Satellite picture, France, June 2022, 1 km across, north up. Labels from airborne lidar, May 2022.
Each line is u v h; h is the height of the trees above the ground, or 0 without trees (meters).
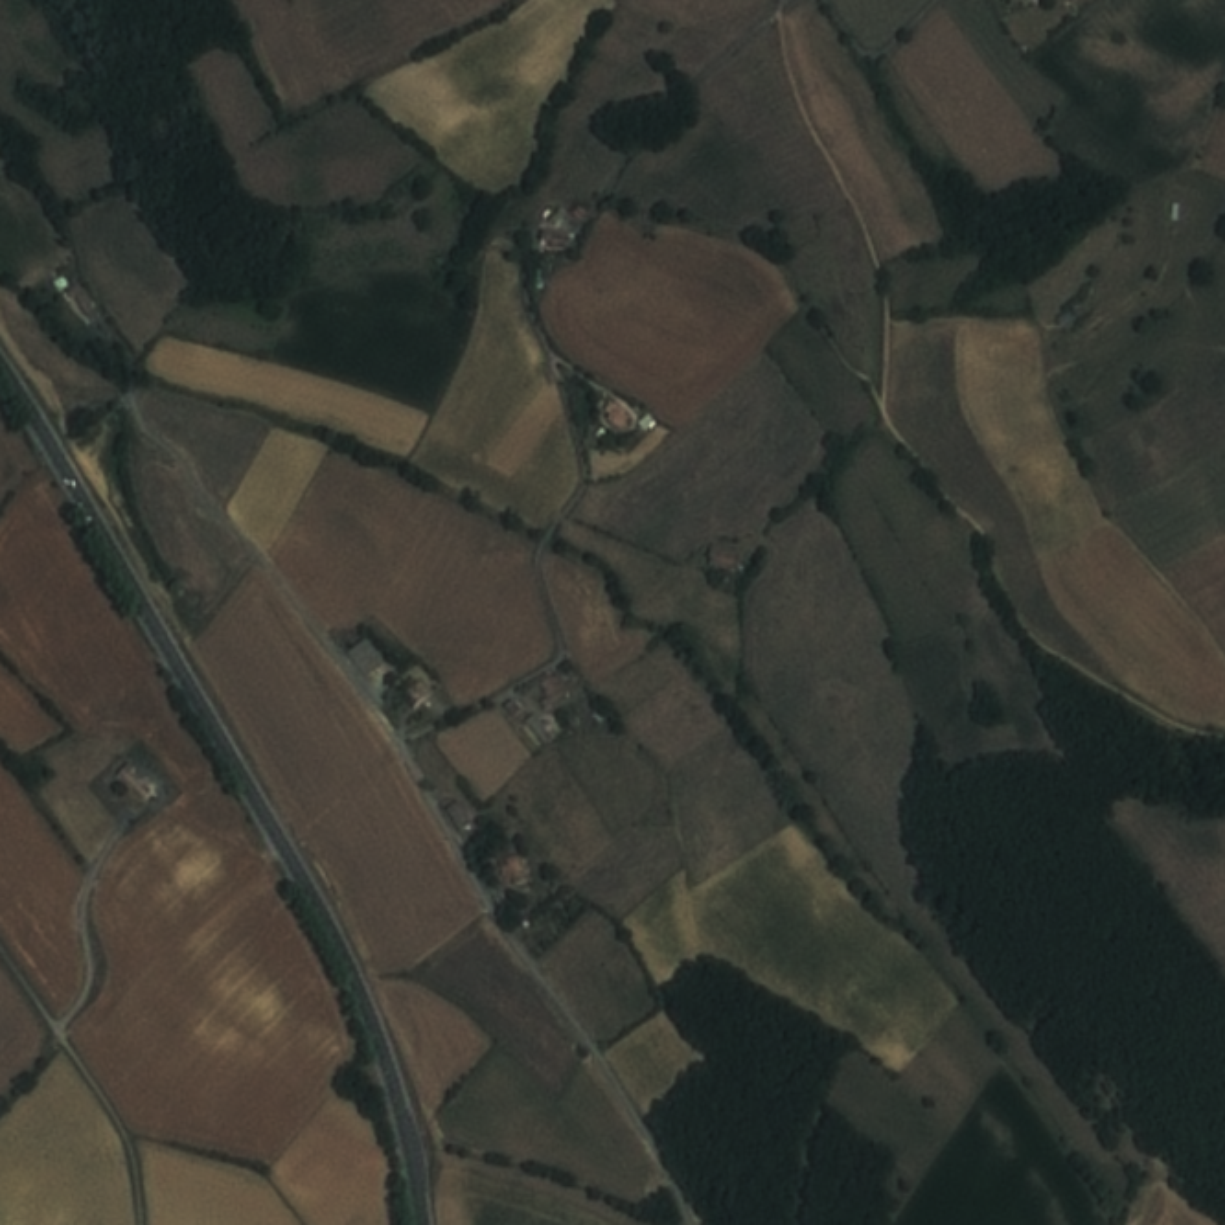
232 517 0
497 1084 0
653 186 0
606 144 17
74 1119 0
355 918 0
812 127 0
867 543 0
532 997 0
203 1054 0
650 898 0
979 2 0
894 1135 0
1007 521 0
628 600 15
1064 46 0
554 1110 0
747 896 0
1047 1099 0
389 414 0
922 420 0
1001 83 0
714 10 0
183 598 0
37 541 0
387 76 0
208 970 0
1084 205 17
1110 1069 14
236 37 16
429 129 0
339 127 0
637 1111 0
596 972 0
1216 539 0
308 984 0
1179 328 0
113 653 0
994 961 16
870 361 0
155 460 0
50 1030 0
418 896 0
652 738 0
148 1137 0
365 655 0
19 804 0
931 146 0
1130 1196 7
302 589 0
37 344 0
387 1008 0
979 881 18
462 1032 0
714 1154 21
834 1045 17
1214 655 0
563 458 0
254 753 0
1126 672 0
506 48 0
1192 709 0
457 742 0
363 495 0
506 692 0
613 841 0
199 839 0
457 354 0
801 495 7
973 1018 0
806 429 0
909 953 0
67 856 0
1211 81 0
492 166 0
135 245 0
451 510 0
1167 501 0
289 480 0
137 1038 0
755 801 0
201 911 0
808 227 0
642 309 0
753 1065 18
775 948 0
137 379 11
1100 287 0
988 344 0
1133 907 20
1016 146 0
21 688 0
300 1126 0
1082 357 0
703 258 0
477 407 0
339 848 0
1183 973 18
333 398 0
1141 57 0
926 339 0
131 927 0
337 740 0
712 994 19
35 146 19
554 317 0
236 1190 0
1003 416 0
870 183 0
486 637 0
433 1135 0
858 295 0
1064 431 0
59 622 0
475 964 0
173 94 16
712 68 0
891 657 11
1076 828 18
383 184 0
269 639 0
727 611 0
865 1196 16
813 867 0
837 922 0
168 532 0
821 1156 18
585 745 0
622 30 0
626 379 0
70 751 0
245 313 0
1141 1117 16
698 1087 17
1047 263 11
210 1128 0
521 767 0
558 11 0
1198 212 0
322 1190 0
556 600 0
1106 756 20
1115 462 0
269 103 8
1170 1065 19
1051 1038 17
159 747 0
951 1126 0
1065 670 20
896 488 0
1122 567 0
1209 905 0
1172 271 0
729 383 0
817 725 0
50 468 0
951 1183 0
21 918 0
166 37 14
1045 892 19
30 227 0
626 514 0
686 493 0
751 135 0
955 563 0
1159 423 0
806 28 0
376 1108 11
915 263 9
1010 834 18
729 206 0
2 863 0
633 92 0
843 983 0
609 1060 0
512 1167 12
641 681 0
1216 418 0
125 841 0
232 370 0
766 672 0
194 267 18
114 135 15
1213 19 0
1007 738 0
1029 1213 0
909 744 0
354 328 0
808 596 0
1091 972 18
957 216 8
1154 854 0
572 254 14
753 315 0
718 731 0
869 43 0
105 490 0
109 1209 0
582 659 0
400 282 0
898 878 0
